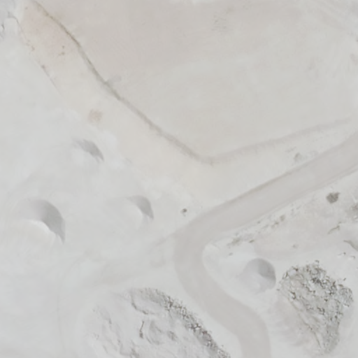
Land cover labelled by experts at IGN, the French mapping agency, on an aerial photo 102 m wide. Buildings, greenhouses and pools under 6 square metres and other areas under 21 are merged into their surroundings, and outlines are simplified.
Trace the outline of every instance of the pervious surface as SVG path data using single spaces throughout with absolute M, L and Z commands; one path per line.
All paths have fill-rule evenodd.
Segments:
M 0 0 L 0 358 L 358 358 L 358 0 Z

